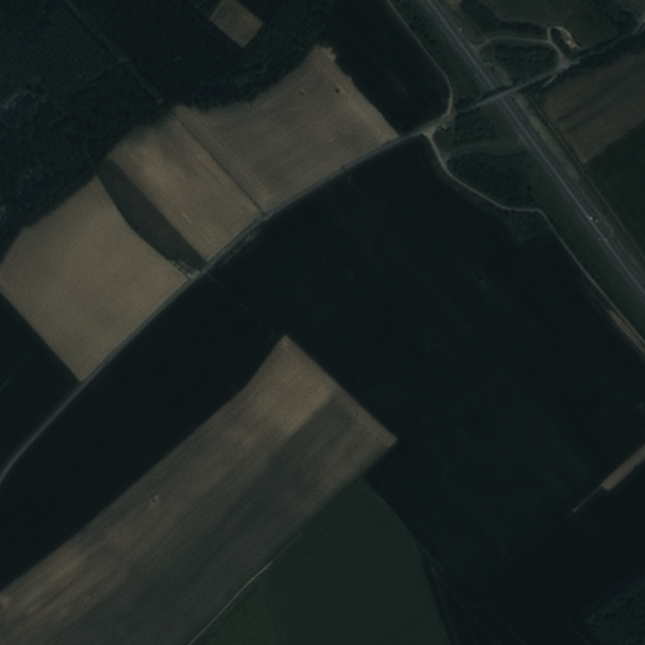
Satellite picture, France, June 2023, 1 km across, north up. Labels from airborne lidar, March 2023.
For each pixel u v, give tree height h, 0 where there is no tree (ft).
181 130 0
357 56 0
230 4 0
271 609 0
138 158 0
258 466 0
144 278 0
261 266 0
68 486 0
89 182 0
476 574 0
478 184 28
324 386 0
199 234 0
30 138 114
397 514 0
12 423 0
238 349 0
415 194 0
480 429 0
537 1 0
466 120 25
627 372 0
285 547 0
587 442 0
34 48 113
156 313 0
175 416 0
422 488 0
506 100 0
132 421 0
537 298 0
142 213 0
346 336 0
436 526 0
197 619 0
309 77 0
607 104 0
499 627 0
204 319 0
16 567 0
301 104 0
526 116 0
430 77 0
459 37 0
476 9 36
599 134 0
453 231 0
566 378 0
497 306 0
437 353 0
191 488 0
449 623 0
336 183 0
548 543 0
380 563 0
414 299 0
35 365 0
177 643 0
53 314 0
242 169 0
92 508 0
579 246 0
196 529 0
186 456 0
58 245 0
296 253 0
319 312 0
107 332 0
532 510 0
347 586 0
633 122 0
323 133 0
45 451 0
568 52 28
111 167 0
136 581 0
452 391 0
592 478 0
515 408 0
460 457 0
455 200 0
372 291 0
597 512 0
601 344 0
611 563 0
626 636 54
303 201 0
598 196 0
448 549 0
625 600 64
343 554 0
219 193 0
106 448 0
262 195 0
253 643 0
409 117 0
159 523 0
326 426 0
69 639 0
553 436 0
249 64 18
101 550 0
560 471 0
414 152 0
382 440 0
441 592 0
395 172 0
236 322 0
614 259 0
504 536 0
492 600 0
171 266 0
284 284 0
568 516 0
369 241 0
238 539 0
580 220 0
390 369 0
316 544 0
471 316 0
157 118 0
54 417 0
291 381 0
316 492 0
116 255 0
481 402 0
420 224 0
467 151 0
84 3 34
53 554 0
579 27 0
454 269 0
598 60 41
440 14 0
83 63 102
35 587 0
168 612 0
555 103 0
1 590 0
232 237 0
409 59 0
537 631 0
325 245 0
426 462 0
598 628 47
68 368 0
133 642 0
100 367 0
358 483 0
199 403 0
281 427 0
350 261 0
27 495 0
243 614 0
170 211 0
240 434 0
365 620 0
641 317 0
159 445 0
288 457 0
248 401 0
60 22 112
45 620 0
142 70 70
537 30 29
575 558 0
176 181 0
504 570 0
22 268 0
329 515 0
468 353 0
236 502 0
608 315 0
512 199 34
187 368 0
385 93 0
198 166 0
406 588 0
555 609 0
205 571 0
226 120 0
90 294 0
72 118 22
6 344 0
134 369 0
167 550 0
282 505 0
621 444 0
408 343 0
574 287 0
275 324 0
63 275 0
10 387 0
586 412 0
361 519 0
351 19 0
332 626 0
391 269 0
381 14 0
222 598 0
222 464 0
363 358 0
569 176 0
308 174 0
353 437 0
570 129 0
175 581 0
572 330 0
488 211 20
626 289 0
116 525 0
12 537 0
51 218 0
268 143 0
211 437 0
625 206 0
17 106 72
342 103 0
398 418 0
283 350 0
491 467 0
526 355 0
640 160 0
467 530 0
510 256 0
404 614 0
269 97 0
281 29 85
